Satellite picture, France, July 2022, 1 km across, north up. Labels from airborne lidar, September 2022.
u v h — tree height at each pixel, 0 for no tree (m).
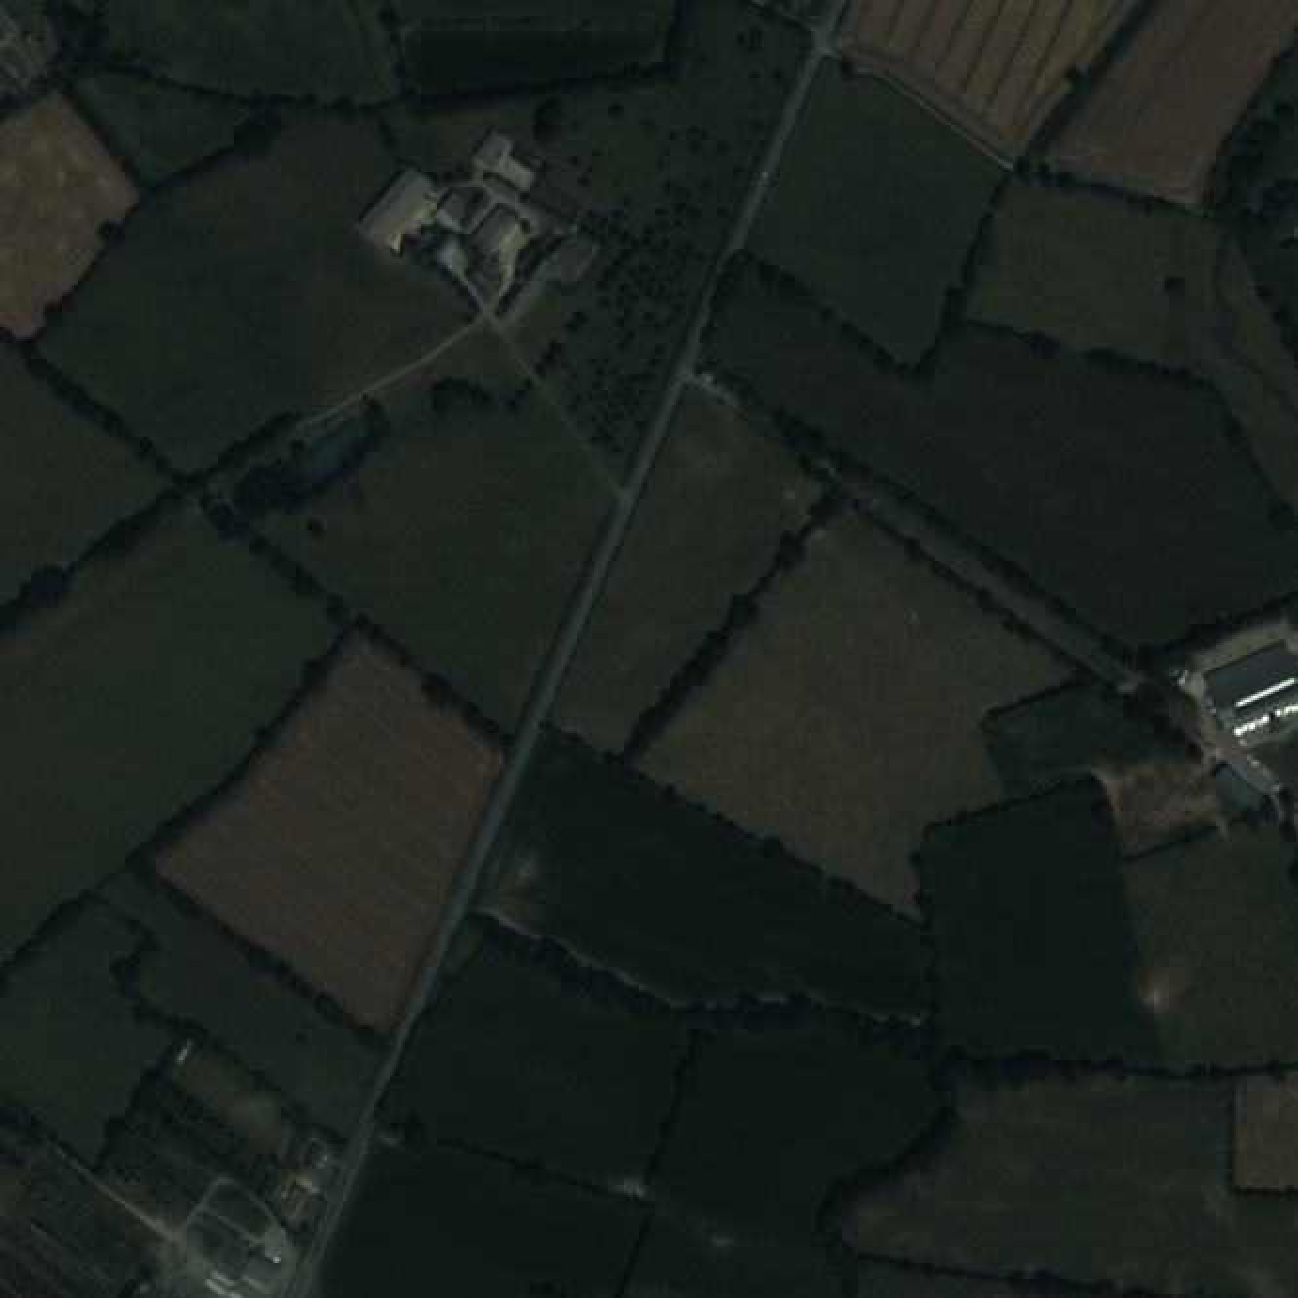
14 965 6
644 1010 18
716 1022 13
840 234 0
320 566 0
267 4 0
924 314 0
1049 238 0
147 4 0
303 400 0
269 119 14
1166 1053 0
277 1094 11
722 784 0
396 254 0
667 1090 0
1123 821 0
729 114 0
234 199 0
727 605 0
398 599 0
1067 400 0
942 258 0
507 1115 0
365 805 0
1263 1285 0
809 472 17
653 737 12
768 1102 0
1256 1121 0
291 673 0
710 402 0
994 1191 0
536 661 0
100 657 0
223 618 0
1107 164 0
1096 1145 0
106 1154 8
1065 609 11
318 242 0
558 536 0
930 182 0
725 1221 0
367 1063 0
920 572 0
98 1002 0
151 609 0
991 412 0
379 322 0
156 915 0
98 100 0
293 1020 0
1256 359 0
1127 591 0
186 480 11
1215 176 7
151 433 0
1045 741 0
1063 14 0
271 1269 0
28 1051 0
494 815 0
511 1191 0
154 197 6
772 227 0
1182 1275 0
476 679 0
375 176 0
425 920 0
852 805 0
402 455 0
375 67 0
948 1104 11
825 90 0
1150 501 0
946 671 0
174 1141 13
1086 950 0
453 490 0
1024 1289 16
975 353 0
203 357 0
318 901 0
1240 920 0
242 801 0
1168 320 0
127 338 0
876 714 0
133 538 18
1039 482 0
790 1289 0
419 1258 0
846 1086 0
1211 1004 0
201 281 0
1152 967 0
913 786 0
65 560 0
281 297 0
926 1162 14
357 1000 0
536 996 0
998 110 0
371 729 0
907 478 0
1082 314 0
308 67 0
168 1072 7
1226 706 0
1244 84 0
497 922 11
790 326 0
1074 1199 0
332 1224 0
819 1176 0
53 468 0
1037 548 0
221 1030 0
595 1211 0
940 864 0
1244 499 0
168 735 0
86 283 6
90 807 0
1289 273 0
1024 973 0
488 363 0
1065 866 0
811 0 0
